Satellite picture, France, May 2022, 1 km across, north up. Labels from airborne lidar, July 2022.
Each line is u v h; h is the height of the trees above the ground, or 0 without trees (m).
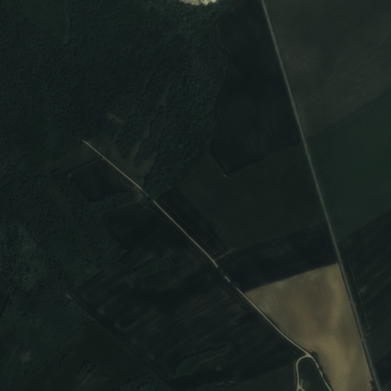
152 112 13
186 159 21
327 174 0
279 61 0
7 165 8
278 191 0
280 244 0
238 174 0
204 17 21
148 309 0
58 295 9
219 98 0
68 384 0
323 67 0
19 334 14
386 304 0
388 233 0
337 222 0
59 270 7
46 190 18
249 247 0
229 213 0
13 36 21
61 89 15
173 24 19
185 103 18
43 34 13
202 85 18
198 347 0
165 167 13
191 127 25
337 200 0
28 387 0
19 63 17
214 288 0
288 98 0
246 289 0
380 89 0
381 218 0
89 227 12
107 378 9
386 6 0
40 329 11
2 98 20
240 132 0
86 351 0
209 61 7
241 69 0
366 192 0
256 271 0
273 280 0
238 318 0
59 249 22
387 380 0
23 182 20
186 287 0
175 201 0
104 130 13
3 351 9
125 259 0
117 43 16
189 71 19
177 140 26
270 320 6
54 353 7
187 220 0
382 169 0
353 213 0
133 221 0
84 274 20
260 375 0
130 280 0
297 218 0
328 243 0
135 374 0
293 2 0
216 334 0
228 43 0
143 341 0
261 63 0
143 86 12
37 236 10
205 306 0
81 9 13
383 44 0
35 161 7
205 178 0
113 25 17
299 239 0
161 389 14
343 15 0
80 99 19
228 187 0
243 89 0
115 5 19
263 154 0
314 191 0
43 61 13
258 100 0
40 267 19
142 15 16
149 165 0
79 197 10
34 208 16
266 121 0
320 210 0
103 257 15
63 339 11
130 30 19
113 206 20
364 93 0
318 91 0
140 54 21
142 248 0
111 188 0
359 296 0
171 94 9
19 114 18
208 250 0
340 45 0
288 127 0
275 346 0
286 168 0
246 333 0
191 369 18
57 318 6
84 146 0
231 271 0
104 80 13
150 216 0
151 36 21
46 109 14
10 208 18
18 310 13
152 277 0
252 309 0
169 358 0
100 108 17
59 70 11
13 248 26
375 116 0
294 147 0
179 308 0
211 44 23
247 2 0
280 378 0
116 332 0
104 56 16
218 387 9
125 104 10
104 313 0
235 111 0
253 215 0
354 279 0
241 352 0
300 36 0
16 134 19
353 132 0
